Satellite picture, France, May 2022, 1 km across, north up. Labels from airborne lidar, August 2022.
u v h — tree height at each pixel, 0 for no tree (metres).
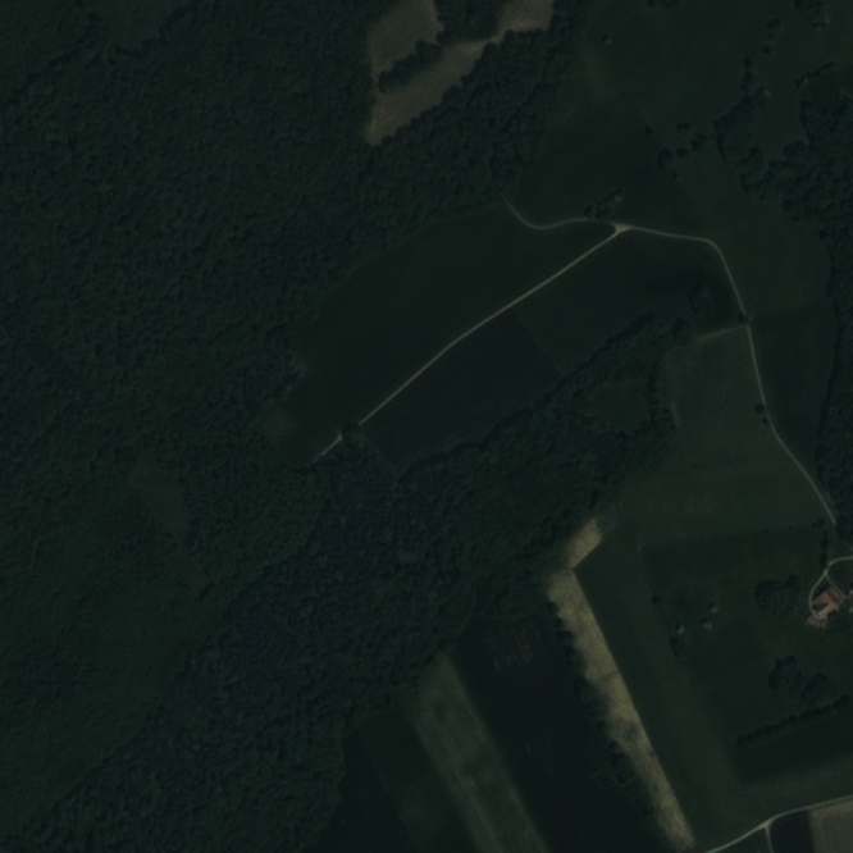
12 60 6
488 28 19
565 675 0
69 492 20
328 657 20
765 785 0
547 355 0
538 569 0
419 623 18
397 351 0
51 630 12
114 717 19
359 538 22
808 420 0
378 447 0
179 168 17
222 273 18
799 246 0
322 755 27
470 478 21
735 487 0
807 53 0
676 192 0
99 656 14
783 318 0
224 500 20
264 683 20
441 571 6
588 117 0
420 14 0
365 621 20
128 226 22
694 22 0
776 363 0
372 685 22
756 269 0
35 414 23
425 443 0
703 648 0
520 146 26
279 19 20
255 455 18
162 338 12
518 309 0
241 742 23
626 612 0
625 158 0
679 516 0
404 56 0
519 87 23
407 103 0
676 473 0
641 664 0
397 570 24
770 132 0
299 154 22
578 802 0
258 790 16
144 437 18
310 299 29
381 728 0
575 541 0
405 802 0
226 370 23
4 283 20
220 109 24
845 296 14
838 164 20
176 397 19
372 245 19
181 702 17
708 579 0
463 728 0
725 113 0
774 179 22
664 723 0
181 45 17
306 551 27
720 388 0
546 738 0
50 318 21
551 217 0
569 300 0
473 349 0
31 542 22
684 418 0
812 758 0
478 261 0
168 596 14
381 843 0
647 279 0
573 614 0
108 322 15
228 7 19
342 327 0
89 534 12
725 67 0
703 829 0
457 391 0
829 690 23
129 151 16
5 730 16
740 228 0
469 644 0
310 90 22
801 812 0
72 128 25
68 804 16
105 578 10
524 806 0
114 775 14
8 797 20
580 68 0
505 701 0
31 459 13
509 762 0
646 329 21
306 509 18
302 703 18
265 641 24
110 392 17
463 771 0
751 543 0
